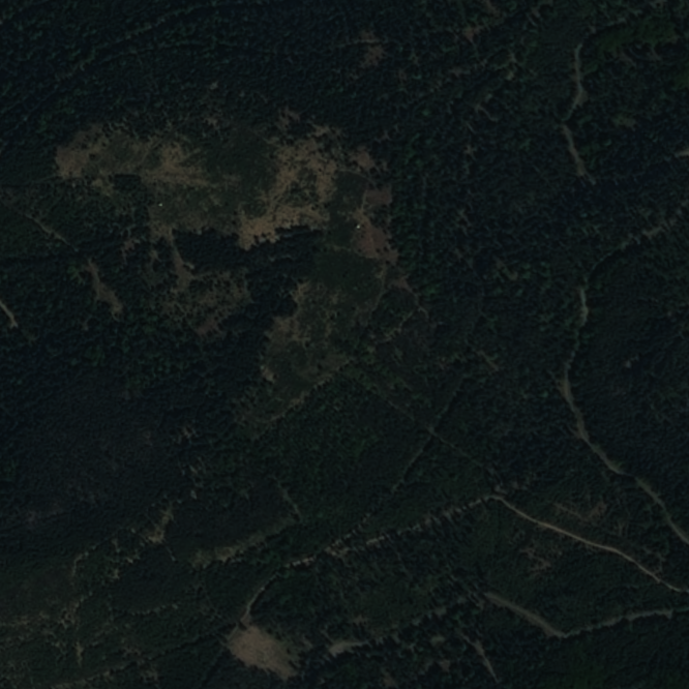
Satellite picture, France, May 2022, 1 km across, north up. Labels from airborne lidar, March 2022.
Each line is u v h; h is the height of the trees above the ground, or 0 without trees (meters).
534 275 8
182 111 8
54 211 8
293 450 10
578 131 40
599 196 7
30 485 18
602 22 21
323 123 10
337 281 0
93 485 16
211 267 13
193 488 15
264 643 0
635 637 14
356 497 8
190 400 19
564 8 7
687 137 10
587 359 17
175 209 0
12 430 10
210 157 0
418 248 22
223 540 12
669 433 24
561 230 29
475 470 6
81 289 11
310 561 28
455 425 16
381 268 0
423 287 21
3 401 21
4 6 31
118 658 12
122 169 0
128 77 6
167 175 0
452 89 15
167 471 15
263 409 0
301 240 13
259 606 17
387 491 31
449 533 7
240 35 28
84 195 7
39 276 14
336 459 14
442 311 18
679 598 6
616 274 18
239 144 0
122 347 18
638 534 9
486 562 9
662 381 26
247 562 8
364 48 11
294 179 0
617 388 25
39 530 14
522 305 19
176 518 11
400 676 10
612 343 19
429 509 10
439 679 21
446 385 16
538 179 12
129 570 11
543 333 20
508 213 17
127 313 16
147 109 16
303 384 0
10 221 9
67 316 19
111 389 17
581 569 10
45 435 18
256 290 12
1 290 19
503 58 11
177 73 9
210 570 9
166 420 19
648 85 32
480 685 32
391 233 10
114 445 18
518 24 30
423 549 12
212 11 22
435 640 0
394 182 11
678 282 38
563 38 19
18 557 8
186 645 8
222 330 17
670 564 10
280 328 0
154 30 8
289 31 28
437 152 31
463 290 15
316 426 8
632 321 12
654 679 14
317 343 0
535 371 24
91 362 19
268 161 0
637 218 24
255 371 12
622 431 24
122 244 10
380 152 13
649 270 34
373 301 0
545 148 26
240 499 16
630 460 23
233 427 13
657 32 14
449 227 28
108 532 13
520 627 7
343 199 0
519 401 10
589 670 19
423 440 12
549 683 17
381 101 10
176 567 11
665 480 26
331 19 7
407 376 14
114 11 13
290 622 23
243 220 0
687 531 12
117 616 7
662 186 27
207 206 0
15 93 13
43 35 8
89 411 15
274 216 0
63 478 12
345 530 6
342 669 18
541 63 14
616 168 24
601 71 40
